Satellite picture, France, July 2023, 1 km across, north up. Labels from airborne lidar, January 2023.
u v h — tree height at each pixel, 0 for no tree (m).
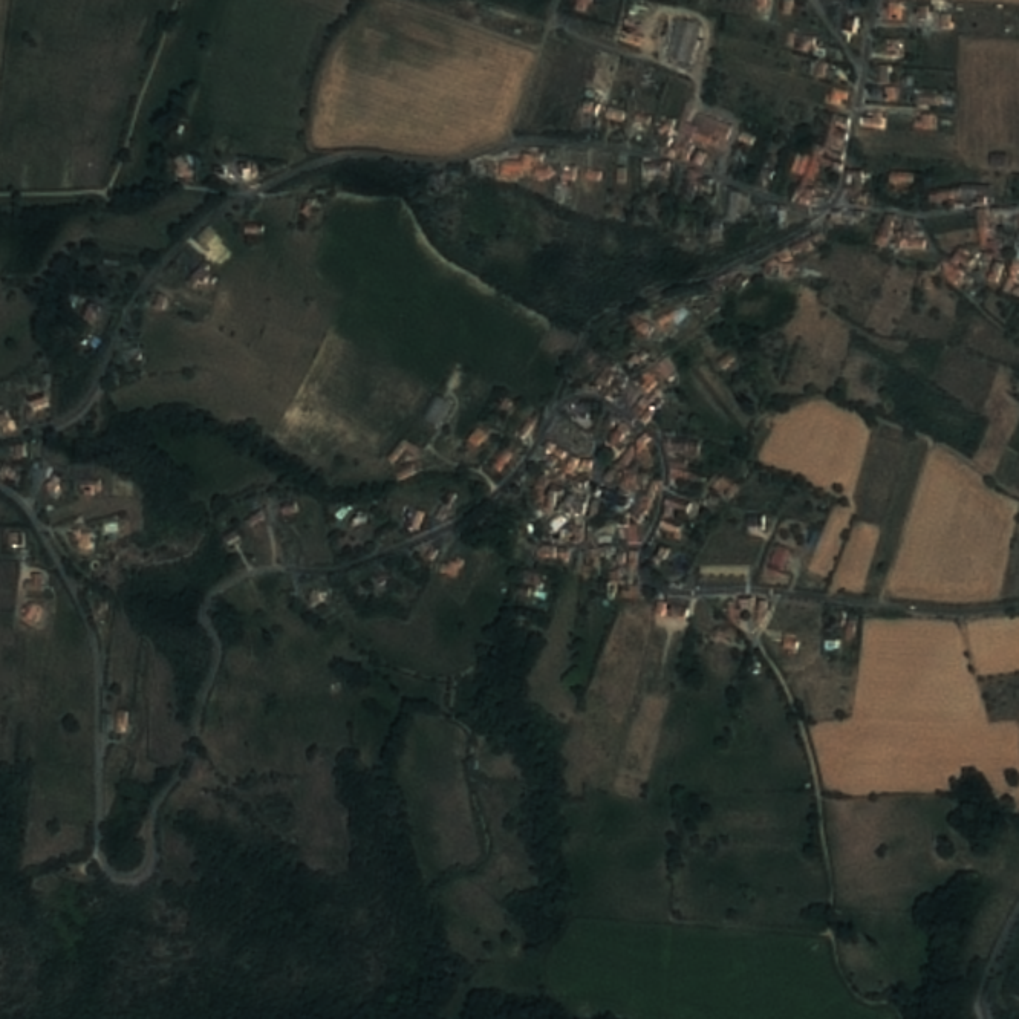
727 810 0
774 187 8
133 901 9
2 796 11
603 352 10
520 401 9
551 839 22
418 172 13
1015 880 0
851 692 0
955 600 0
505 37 0
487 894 0
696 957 0
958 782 13
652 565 9
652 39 0
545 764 11
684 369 7
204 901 7
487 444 6
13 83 0
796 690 0
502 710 23
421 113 0
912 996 25
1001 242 0
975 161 0
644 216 10
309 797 0
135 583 7
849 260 0
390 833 15
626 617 0
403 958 9
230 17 0
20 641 0
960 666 0
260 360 0
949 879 0
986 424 9
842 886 0
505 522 6
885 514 0
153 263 11
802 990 0
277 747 0
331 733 0
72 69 0
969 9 0
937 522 0
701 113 0
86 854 9
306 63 0
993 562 0
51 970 12
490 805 0
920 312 8
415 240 0
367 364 0
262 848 10
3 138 0
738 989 0
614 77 0
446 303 0
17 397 0
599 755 0
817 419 0
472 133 0
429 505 0
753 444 7
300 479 13
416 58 0
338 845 0
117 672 0
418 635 0
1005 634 0
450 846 0
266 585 0
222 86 0
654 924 0
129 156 15
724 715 0
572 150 0
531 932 19
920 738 0
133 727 0
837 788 0
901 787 0
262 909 11
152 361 0
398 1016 23
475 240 8
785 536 8
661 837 0
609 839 0
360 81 0
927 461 0
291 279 0
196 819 11
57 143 0
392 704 0
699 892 0
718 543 0
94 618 10
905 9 0
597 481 0
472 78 0
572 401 0
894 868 0
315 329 0
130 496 0
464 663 0
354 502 11
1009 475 0
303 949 6
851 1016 0
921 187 5
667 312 0
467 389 0
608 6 0
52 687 0
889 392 10
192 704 15
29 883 15
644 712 0
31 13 0
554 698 0
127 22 0
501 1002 20
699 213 7
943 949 16
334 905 7
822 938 0
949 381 0
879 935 0
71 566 10
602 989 0
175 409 13
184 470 9
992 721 0
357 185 14
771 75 0
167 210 0
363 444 0
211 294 0
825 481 0
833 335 0
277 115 0
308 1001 7
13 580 0
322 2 0
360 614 11
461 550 0
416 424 0
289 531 0
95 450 19
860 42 0
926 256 0
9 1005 6
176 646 8
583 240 6
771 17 0
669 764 0
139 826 10
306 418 0
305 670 0
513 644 19
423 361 0
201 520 7
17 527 6
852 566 0
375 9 0
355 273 0
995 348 0
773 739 0
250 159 6
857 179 0
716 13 0
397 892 14
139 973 6
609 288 7
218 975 8
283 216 0
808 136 9
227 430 10
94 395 0
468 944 0
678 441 0
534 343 0
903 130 0
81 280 14
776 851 0
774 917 0
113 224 0
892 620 0
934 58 0
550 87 0
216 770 11
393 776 10
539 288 7
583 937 0
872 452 0
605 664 0
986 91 0
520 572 11
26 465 8
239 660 0
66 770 0
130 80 0
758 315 0
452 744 0
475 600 0
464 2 0
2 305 0
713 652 0
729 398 0
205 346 0
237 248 0
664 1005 0
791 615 0
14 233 7
